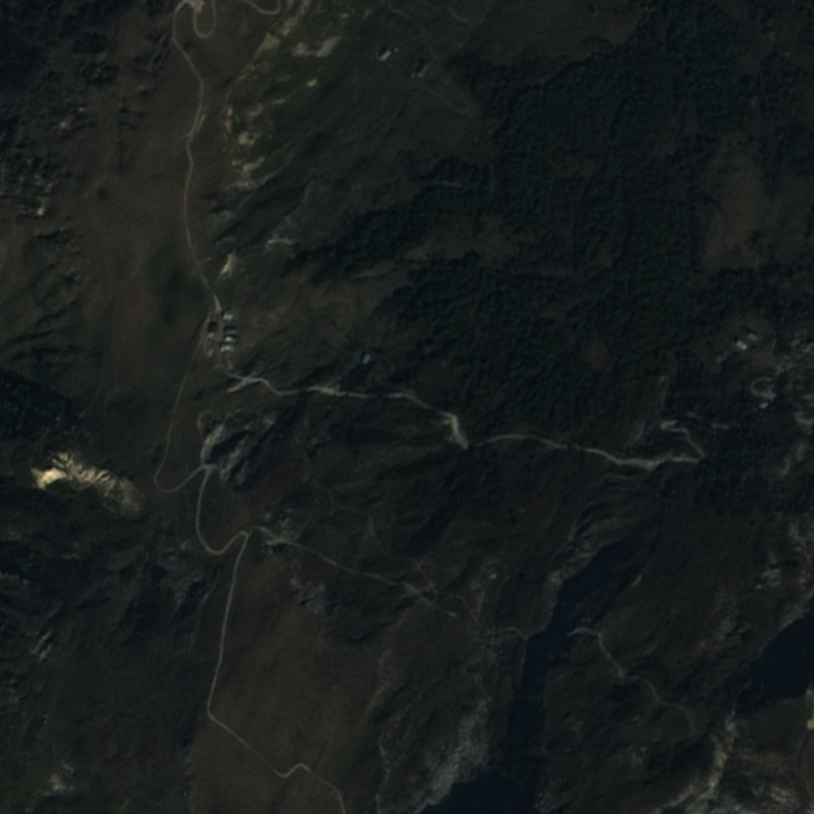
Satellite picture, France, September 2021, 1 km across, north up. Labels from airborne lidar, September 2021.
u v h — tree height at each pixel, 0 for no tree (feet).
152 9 0
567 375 30
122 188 0
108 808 0
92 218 0
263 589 0
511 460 0
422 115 0
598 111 23
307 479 0
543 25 0
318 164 0
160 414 0
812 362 0
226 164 0
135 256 0
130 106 0
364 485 0
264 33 0
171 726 0
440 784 0
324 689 0
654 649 0
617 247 20
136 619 0
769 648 0
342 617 0
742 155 0
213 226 0
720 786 0
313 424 0
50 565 0
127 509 0
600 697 0
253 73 0
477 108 0
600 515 0
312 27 0
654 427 0
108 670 0
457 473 19
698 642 0
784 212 0
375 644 0
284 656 0
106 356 0
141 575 0
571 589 0
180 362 0
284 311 0
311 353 0
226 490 0
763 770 0
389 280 0
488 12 0
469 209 20
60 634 0
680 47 29
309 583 0
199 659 0
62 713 0
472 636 0
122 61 0
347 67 0
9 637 0
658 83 27
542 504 0
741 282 23
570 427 19
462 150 0
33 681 0
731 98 29
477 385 27
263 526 0
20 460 0
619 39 0
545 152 26
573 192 21
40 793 0
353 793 0
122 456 0
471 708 0
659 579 0
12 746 0
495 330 26
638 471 0
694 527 0
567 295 21
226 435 0
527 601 0
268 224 0
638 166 20
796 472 0
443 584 0
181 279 0
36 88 0
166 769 0
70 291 0
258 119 0
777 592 0
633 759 0
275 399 0
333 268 26
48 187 0
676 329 22
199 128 0
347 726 0
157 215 0
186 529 0
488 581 0
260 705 0
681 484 0
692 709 0
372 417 0
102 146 0
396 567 0
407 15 0
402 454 0
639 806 0
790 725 0
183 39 0
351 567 0
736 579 0
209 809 0
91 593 0
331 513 0
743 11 0
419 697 0
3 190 0
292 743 0
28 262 0
